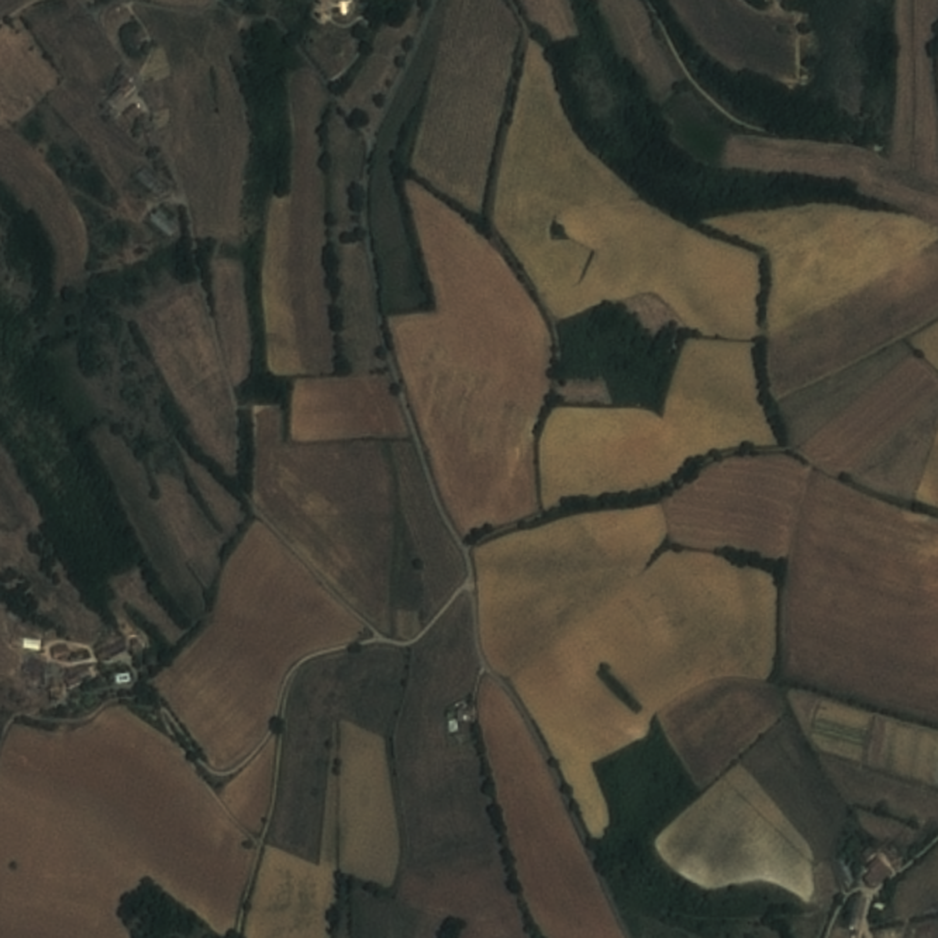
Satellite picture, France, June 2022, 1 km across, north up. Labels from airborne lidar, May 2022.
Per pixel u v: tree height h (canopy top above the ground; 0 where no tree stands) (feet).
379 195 0
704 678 0
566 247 0
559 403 39
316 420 0
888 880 24
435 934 0
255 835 0
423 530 0
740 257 0
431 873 0
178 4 0
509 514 0
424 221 0
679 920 28
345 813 0
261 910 0
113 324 19
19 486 0
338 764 24
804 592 0
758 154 0
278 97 20
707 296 0
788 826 0
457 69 0
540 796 0
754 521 0
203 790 0
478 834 0
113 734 0
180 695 0
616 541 0
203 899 0
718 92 22
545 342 0
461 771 0
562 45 39
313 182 0
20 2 0
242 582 0
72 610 0
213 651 0
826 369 0
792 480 0
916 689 0
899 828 0
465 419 0
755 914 0
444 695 0
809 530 0
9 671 0
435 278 0
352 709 0
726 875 0
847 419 0
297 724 0
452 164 0
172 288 0
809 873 0
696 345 0
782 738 0
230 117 0
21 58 0
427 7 39
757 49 0
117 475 0
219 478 43
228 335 0
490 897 0
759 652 0
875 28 24
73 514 23
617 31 0
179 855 0
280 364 0
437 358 0
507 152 0
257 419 0
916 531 0
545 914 0
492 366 0
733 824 0
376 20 63
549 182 0
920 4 0
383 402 0
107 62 0
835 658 0
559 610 0
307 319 0
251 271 18
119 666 17
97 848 0
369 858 0
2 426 22
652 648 0
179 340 0
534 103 0
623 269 0
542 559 0
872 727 0
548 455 0
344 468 0
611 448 0
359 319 0
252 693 0
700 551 0
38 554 30
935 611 0
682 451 0
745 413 0
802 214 0
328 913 36
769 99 48
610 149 37
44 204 0
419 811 0
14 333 29
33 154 0
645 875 29
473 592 0
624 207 0
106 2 29
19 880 0
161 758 0
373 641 0
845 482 41
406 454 0
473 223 51
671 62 0
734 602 0
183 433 25
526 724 0
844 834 20
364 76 0
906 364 0
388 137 0
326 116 34
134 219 0
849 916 42
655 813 22
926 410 0
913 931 0
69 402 0
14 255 20
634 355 22
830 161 0
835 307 0
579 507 59
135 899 35
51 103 0
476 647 0
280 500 0
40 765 0
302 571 0
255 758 0
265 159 29
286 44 38
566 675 0
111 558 33
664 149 53
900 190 0
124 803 0
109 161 0
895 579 0
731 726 0
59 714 28
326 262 40
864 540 0
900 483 0
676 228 0
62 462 25
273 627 0
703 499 0
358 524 0
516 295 0
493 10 0
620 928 0
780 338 0
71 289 46
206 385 0
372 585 0
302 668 0
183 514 0
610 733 0
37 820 0
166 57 0
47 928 0
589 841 36
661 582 0
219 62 0
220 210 0
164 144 0
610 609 0
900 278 0
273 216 0
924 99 0
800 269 0
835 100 20
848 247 0
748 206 39
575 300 0
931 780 0
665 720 0
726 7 0
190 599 0
